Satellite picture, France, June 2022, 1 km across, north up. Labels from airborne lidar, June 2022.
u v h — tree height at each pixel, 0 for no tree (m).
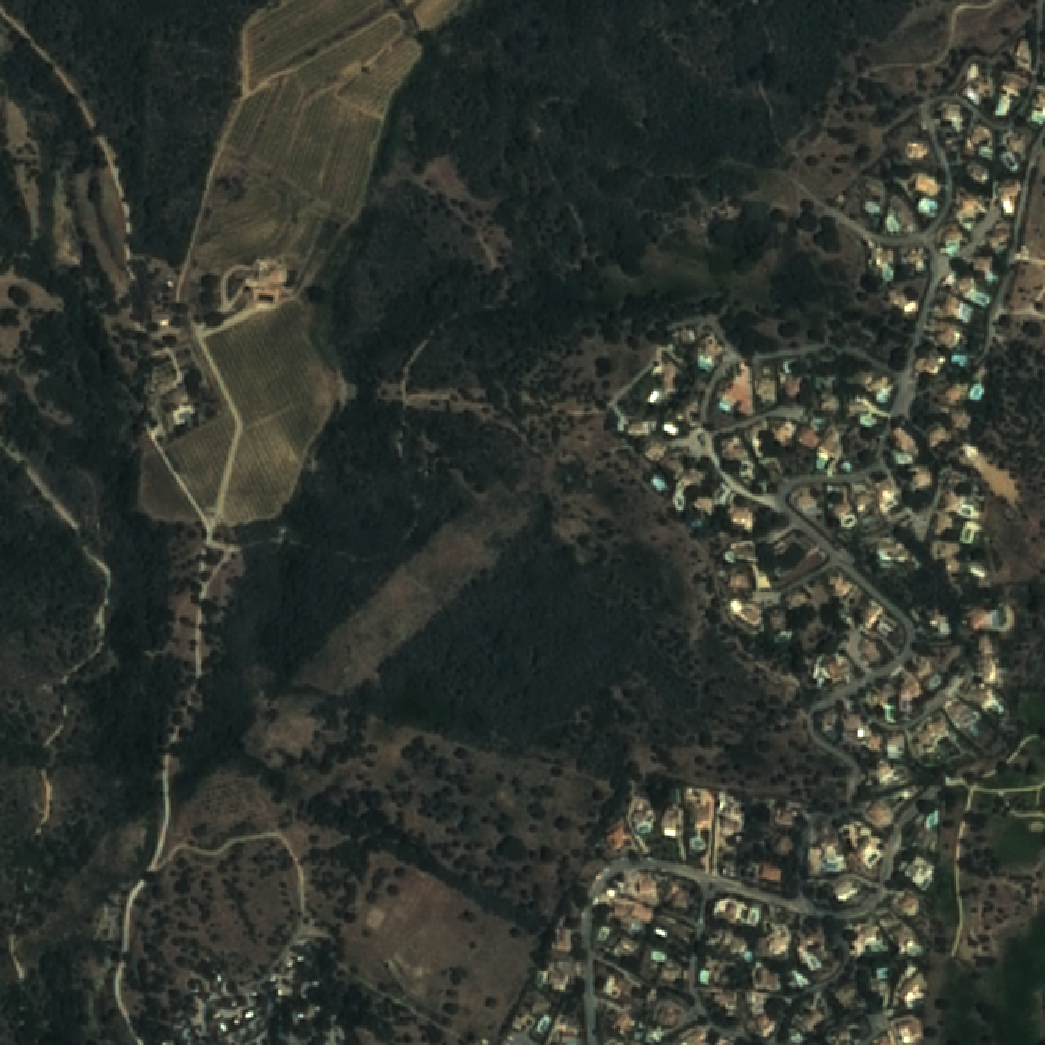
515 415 7
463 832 14
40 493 11
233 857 7
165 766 6
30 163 7
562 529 0
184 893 7
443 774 14
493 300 13
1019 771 8
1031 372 9
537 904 13
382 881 6
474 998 0
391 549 9
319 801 14
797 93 20
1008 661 7
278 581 8
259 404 0
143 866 0
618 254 12
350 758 6
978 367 8
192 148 6
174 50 7
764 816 15
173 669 10
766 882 8
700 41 7
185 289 0
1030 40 8
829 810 7
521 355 8
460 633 10
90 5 7
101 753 8
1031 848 0
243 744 12
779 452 12
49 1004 7
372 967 0
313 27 0
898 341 11
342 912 8
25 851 9
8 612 7
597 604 8
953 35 0
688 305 8
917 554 9
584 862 8
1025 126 10
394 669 11
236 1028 16
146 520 12
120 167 10
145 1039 7
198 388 9
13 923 7
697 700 9
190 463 0
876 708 6
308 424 0
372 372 8
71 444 9
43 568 9
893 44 0
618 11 9
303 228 0
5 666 0
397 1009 8
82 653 12
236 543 6
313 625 11
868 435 12
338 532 8
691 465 11
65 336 9
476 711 8
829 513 7
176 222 8
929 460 7
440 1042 9
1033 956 0
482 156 9
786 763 8
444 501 12
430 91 7
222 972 6
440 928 0
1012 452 6
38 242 9
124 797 6
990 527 0
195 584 8
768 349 11
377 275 9
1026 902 6
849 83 6
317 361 0
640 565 8
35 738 9
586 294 7
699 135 10
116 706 11
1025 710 0
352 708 8
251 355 0
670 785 9
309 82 0
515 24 7
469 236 8
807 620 10
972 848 7
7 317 8
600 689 12
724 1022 8
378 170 8
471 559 0
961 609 7
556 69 8
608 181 9
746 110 7
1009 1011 0
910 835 7
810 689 6
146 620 6
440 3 0
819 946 7
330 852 6
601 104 10
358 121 0
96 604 6
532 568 9
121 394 14
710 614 8
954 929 0
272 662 8
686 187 9
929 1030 10
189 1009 9
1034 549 0
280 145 0
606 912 10
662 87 7
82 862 6
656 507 0
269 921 0
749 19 8
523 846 14
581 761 8
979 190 9
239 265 0
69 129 8
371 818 11
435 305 13
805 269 9
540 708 10
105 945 7
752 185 7
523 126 10
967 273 8
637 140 9
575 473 6
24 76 7
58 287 11
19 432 8
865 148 8
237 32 10
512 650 14
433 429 8
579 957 9
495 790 0
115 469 10
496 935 0
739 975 13
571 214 8
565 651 10
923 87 7
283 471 0
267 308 0
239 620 6
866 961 12
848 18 11
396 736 0
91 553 6
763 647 6
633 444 9
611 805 9
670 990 6
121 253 0
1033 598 7
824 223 9
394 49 0
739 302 7
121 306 7
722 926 10
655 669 9
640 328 11
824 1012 5
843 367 10
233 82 7
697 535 11
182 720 9
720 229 17
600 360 8
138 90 8
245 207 0
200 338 0
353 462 7
